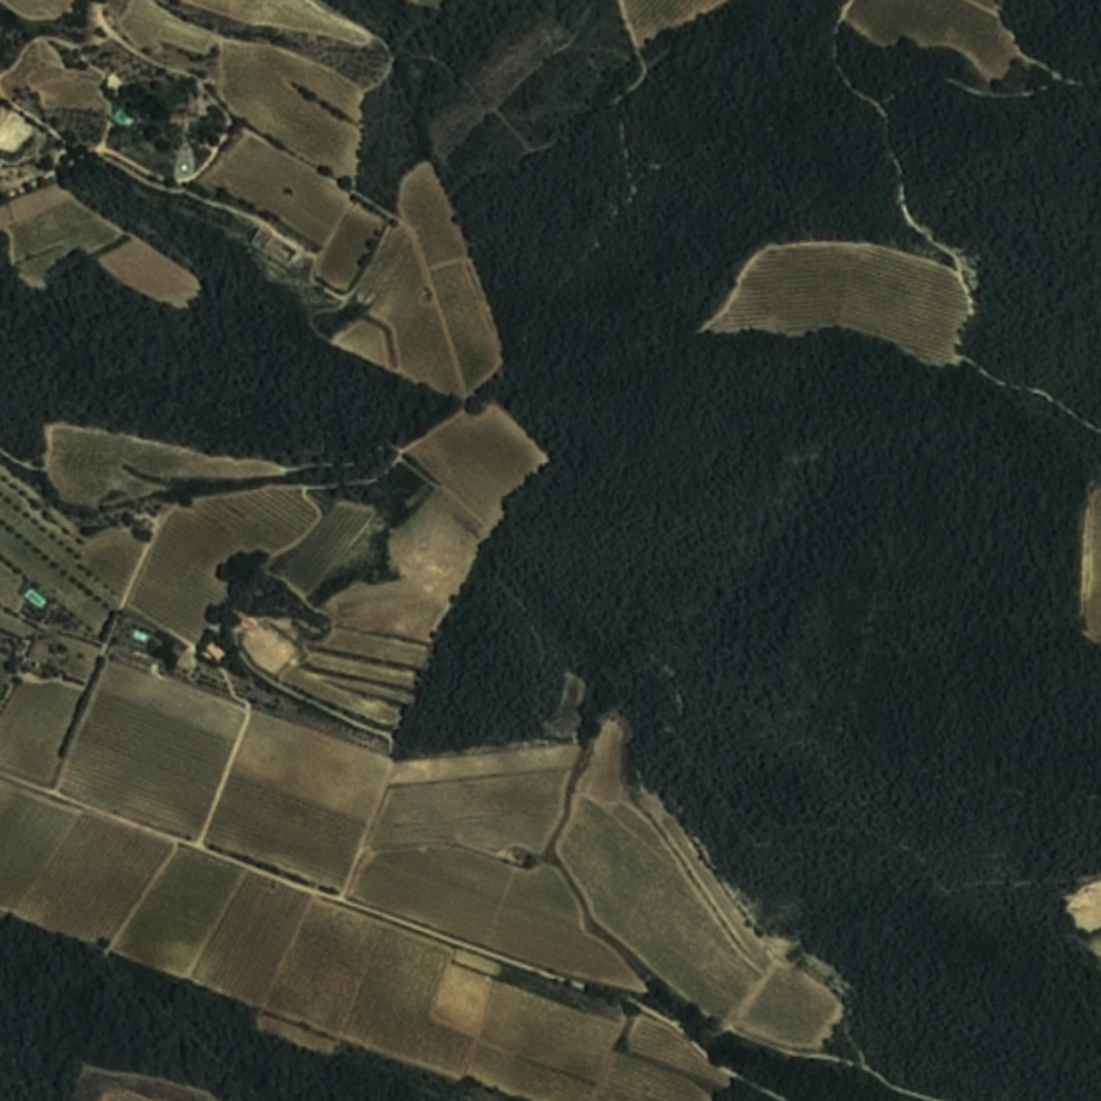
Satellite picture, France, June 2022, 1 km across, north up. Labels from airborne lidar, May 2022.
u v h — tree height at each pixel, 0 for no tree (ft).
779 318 0
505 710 36
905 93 37
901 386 50
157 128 39
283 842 0
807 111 49
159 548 0
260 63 0
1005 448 66
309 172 0
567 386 40
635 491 45
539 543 37
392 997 0
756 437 47
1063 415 49
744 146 50
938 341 0
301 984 0
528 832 0
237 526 0
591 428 58
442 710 43
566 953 0
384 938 0
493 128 25
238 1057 59
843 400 36
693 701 37
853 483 30
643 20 0
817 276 0
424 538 0
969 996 42
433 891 0
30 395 47
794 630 36
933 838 40
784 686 28
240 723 0
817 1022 0
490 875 0
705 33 56
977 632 35
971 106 25
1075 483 43
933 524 47
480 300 0
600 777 0
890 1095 31
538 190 64
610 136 46
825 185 40
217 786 0
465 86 35
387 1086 61
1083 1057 25
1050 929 47
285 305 30
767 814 38
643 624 39
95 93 0
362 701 0
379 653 0
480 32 29
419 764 0
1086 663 59
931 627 50
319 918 0
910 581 24
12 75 0
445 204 0
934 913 34
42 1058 27
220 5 0
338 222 0
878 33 0
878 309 0
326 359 34
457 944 0
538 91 19
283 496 0
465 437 0
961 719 27
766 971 0
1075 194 54
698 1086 0
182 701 0
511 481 0
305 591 0
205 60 35
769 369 42
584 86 39
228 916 0
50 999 58
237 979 0
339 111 27
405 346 0
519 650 51
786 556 32
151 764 0
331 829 0
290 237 0
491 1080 0
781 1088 38
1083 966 30
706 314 50
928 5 0
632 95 48
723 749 37
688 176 44
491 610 47
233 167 0
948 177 36
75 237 0
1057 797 47
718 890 0
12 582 0
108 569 0
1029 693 22
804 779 47
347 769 0
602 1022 0
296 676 0
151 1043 63
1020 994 20
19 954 55
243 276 35
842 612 21
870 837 40
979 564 58
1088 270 31
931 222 31
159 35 0
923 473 30
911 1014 34
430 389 52
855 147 19
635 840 0
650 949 0
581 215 23
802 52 26
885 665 23
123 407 42
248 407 40
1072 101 39
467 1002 0
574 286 50
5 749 0
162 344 46
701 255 48
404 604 0
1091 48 25
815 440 40
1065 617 62
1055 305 39
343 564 0
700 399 40
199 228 18
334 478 48
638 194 18
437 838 0
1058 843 47
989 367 33
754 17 34
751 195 25
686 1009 52
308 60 0
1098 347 46
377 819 0
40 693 0
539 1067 0
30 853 0
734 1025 0
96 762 0
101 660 32
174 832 0
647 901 0
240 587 54
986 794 42
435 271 0
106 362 42
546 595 42
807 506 31
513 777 0
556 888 0
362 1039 0
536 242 55
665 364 44
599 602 43
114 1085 0
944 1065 40
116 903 0
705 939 0
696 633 31
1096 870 24
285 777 0
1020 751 18
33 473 24
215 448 39
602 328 52
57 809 0
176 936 0
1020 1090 44
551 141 27
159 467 0
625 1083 0
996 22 0
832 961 33
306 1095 36
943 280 0
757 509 23
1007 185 38
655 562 47
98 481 0
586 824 0
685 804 45
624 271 34
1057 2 53
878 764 43
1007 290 41
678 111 52
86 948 53
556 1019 0
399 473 27
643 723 25
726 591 44
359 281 0
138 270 0
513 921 0
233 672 25
